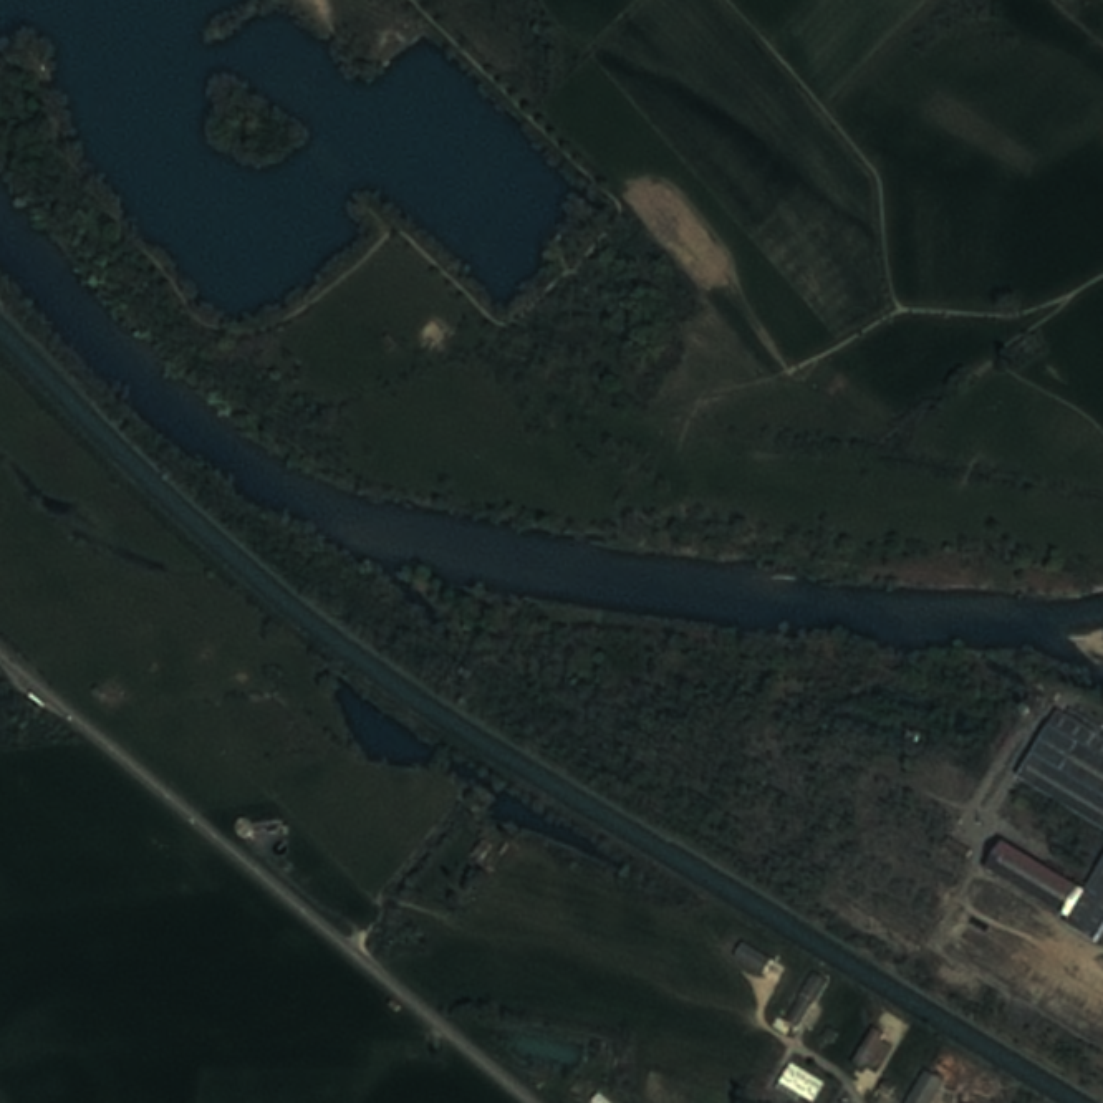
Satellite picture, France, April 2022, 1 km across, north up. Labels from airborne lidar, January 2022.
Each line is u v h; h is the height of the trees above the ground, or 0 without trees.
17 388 0
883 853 0
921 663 22
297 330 0
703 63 0
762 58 0
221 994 0
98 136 0
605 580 0
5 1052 0
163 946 0
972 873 0
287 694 0
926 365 0
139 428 17
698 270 0
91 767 0
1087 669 12
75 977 0
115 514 0
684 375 0
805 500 0
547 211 0
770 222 0
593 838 7
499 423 0
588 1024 0
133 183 0
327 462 16
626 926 0
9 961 0
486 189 0
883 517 0
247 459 0
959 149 0
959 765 0
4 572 0
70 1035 0
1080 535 0
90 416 0
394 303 0
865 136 0
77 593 0
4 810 0
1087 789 0
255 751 0
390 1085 0
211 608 0
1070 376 0
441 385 0
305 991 0
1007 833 0
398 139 0
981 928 0
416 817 0
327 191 0
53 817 0
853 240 0
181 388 0
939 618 0
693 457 0
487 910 0
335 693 11
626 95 0
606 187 14
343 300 0
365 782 0
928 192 0
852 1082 0
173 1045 0
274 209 0
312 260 0
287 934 0
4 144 15
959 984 0
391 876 0
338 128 0
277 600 0
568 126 0
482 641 20
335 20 0
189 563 0
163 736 0
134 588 0
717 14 0
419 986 0
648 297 20
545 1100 0
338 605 21
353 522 0
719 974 0
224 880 0
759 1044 0
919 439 0
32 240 0
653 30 0
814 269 0
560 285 10
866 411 0
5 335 0
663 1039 0
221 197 0
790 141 0
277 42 0
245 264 0
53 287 0
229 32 11
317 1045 0
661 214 0
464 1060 0
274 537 9
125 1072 0
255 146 13
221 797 0
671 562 0
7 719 11
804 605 0
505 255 0
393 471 0
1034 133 0
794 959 0
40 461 0
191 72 0
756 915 0
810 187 0
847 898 0
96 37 0
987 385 0
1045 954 0
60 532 0
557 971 0
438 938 0
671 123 0
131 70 0
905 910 0
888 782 0
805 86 0
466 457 0
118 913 0
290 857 0
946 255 0
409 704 0
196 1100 0
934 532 0
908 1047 0
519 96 12
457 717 0
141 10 0
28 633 0
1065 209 0
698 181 0
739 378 0
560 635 15
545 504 0
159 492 0
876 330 0
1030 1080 0
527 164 0
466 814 6
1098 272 0
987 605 0
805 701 9
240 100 22
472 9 0
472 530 0
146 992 0
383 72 8
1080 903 0
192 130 0
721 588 0
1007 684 9
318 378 0
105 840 0
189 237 0
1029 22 0
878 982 0
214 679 0
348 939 0
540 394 0
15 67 24
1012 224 0
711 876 0
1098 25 0
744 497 0
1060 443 0
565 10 0
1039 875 0
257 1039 0
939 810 0
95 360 0
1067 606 0
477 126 0
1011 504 0
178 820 0
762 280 0
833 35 0
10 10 0
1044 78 0
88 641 0
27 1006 0
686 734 24
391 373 0
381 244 0
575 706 23
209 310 16
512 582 0
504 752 0
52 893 0
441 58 0
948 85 0
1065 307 0
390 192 0
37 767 0
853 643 15
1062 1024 0
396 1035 0
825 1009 0
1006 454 0
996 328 0
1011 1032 0
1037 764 0
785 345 0
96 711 0
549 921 0
